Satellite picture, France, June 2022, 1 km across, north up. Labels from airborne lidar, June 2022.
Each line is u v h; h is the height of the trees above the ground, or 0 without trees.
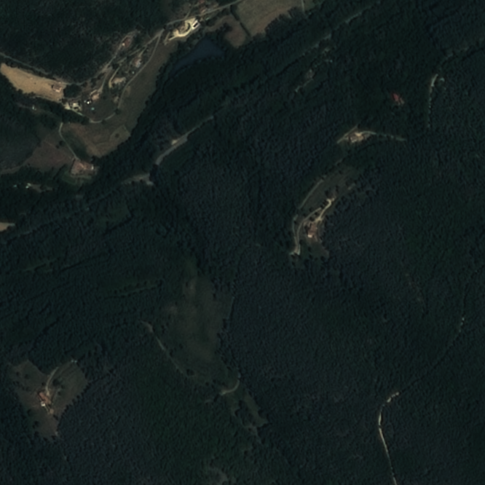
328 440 13
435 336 17
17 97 19
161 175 34
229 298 0
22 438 35
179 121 33
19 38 10
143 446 15
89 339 29
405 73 15
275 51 22
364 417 13
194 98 22
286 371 11
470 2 20
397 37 7
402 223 14
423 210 18
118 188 13
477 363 18
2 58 7
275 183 17
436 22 18
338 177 0
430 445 14
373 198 13
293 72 24
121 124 0
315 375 13
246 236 18
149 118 14
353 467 13
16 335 17
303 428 22
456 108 13
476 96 14
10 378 10
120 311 28
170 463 17
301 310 16
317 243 0
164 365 19
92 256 17
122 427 13
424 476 10
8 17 15
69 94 17
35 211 17
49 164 0
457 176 25
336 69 15
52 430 0
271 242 21
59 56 11
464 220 19
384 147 20
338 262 19
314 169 24
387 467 12
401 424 11
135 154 26
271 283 18
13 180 19
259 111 22
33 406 0
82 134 0
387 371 14
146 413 17
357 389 10
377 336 14
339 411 17
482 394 11
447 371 15
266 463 18
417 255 11
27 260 27
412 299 15
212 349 0
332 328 17
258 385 16
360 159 13
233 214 17
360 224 13
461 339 13
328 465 14
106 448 9
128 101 0
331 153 26
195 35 13
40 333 9
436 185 20
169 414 18
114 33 8
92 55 8
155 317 21
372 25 7
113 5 9
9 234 17
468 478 13
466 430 19
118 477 11
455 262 15
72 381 0
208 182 14
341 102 19
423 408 19
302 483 15
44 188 7
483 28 37
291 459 23
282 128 16
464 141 12
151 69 0
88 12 6
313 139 19
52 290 25
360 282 17
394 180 22
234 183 12
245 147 7
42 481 26
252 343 14
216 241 19
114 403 17
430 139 25
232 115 15
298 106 16
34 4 14
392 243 14
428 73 8
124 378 12
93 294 31
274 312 16
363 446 10
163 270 17
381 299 16
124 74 6
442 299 14
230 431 18
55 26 13
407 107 10
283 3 0
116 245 29
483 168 19
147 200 12
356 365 14
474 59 29
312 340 12
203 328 0
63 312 33
